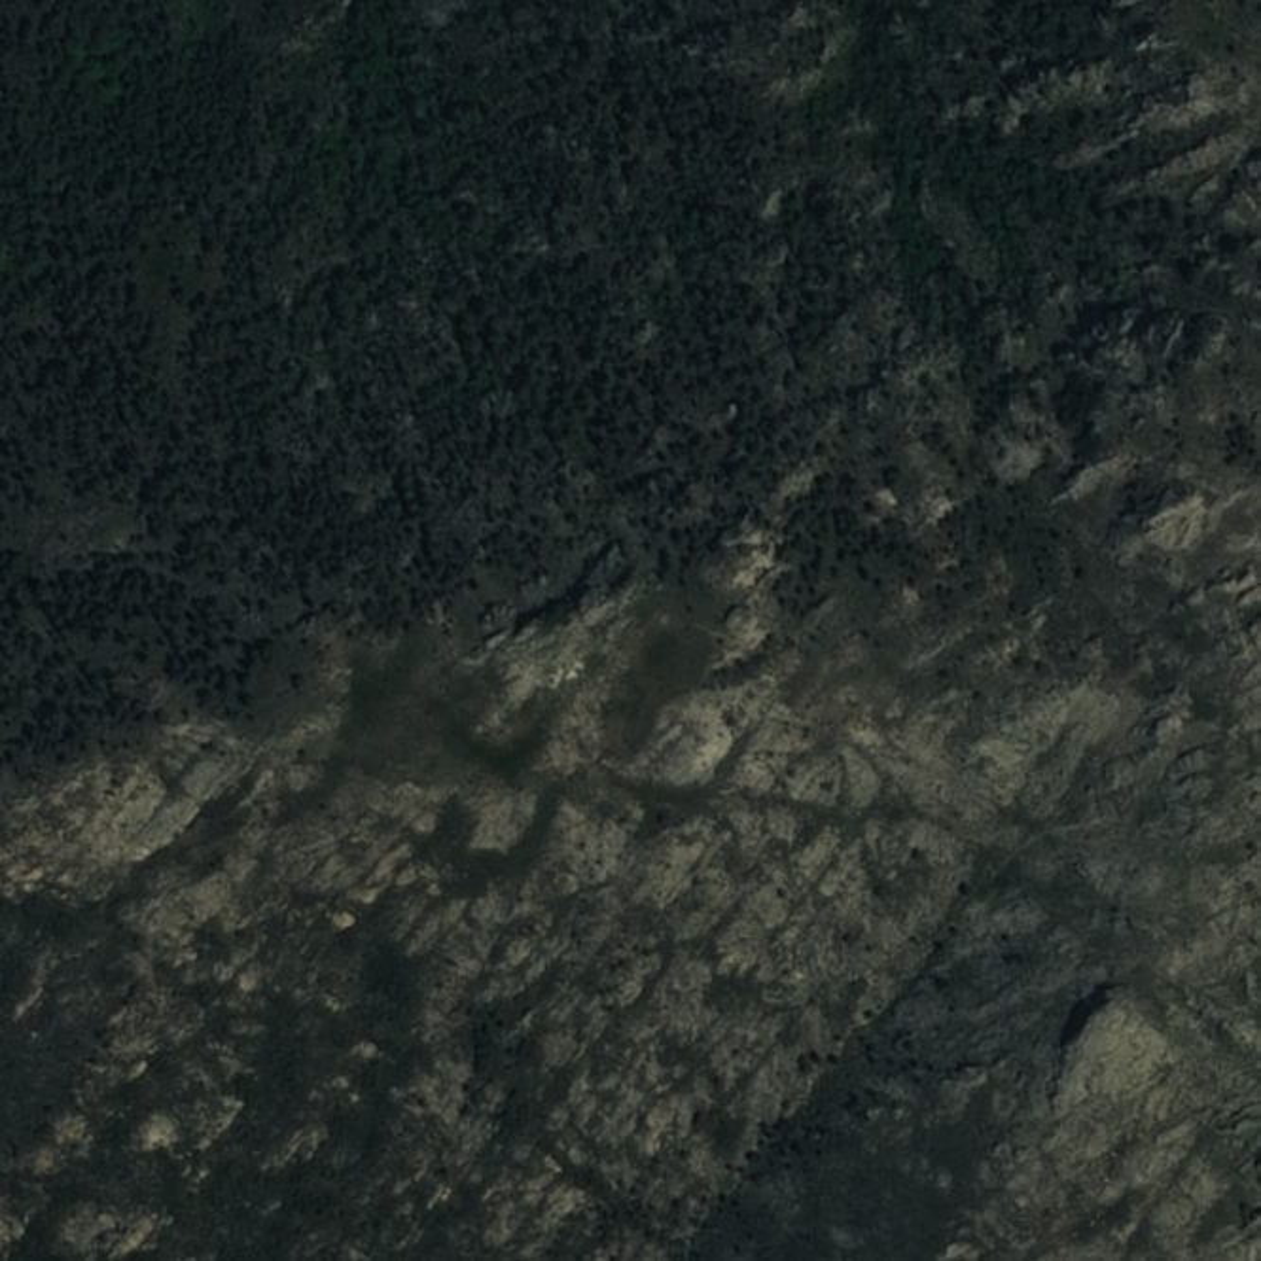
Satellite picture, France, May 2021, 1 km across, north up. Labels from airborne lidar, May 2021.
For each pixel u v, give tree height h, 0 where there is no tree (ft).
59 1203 20
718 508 35
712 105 78
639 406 59
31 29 53
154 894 0
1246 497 0
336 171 45
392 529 24
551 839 0
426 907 0
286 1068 20
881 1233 0
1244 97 0
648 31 44
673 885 0
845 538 53
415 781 0
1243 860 0
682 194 23
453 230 60
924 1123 0
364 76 77
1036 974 0
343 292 114
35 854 0
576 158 39
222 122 55
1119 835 0
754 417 64
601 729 0
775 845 0
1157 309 37
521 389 85
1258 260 0
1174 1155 0
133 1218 0
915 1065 30
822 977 0
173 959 0
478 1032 39
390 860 0
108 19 72
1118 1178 0
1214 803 0
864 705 0
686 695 0
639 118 102
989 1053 0
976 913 0
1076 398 30
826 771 0
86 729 60
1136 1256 0
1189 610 0
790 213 66
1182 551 0
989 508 47
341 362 67
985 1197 0
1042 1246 0
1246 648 0
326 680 0
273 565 59
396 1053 25
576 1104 0
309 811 0
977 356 48
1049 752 0
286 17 69
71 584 48
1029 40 20
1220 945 0
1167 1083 0
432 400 71
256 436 36
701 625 0
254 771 0
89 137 34
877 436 28
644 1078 0
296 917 0
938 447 58
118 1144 21
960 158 84
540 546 36
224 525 58
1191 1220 0
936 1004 0
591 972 0
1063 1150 0
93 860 0
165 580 46
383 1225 39
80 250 69
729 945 0
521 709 0
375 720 0
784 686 0
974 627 0
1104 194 23
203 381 59
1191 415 0
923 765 0
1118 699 0
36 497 53
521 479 62
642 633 0
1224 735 0
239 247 72
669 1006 0
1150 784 0
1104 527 0
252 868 0
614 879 0
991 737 0
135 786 0
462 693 0
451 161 31
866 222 50
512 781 0
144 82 65
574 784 0
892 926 0
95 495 50
